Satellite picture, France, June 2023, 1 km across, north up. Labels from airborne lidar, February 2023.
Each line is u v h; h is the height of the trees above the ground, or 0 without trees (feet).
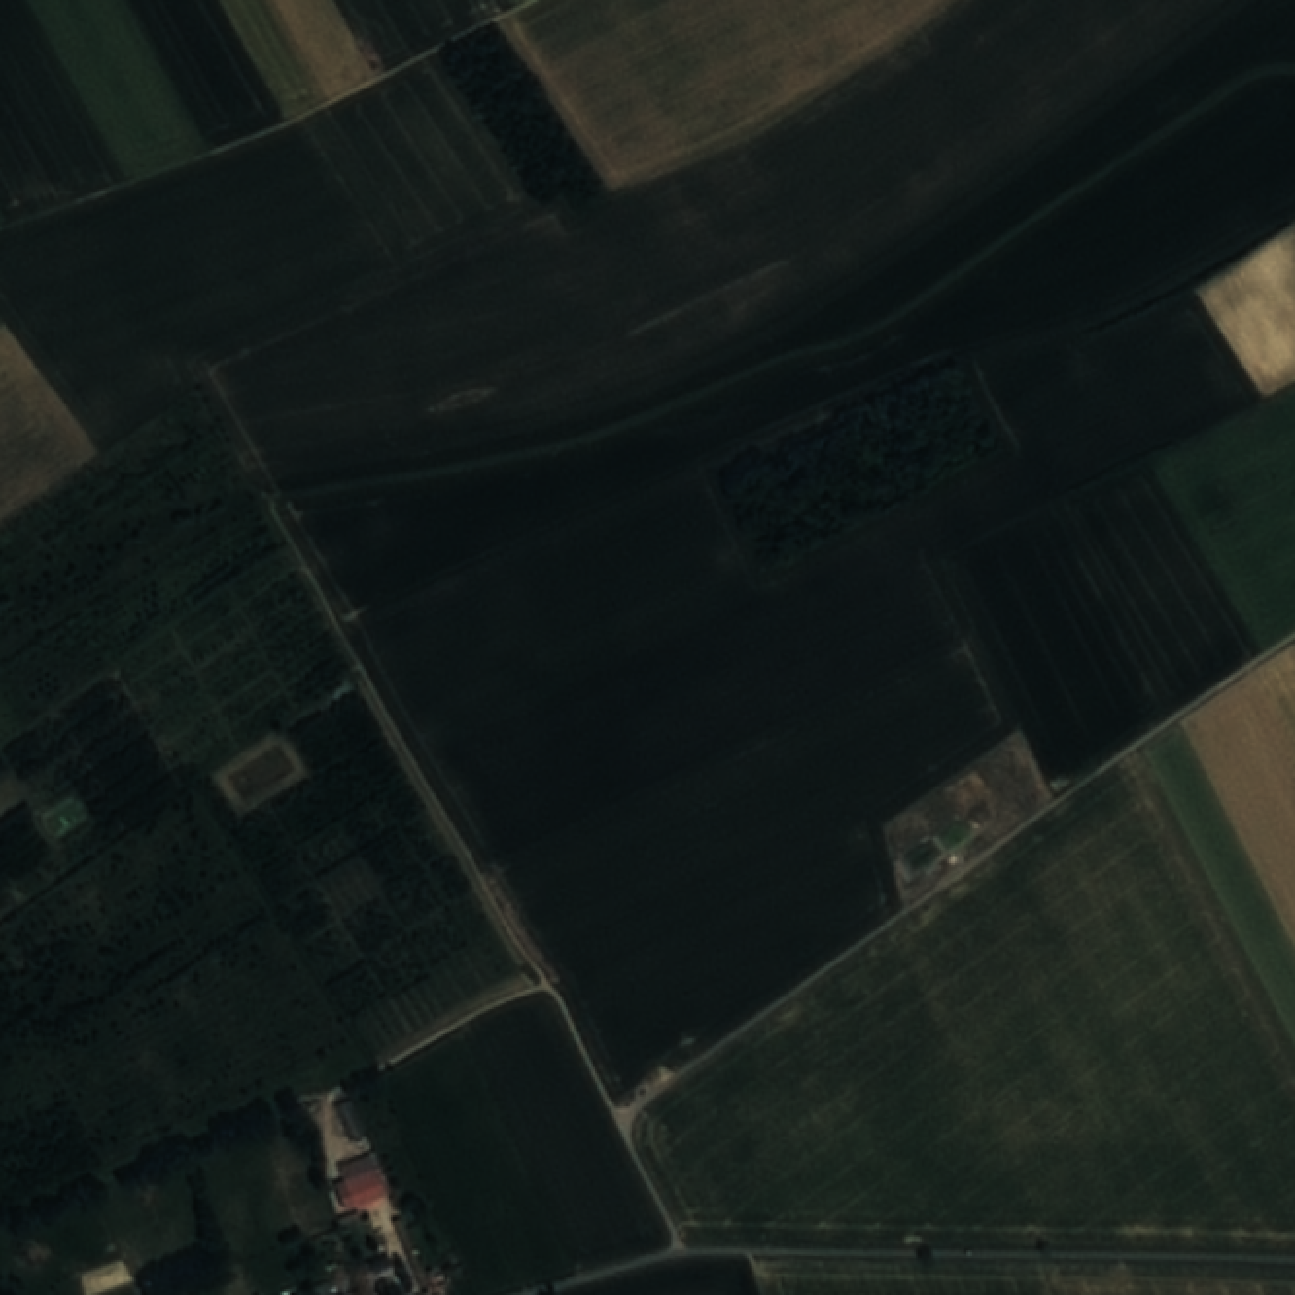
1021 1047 0
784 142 0
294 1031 0
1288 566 0
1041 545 0
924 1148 0
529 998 0
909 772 0
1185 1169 0
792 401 0
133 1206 0
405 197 0
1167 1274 0
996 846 0
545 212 0
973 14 0
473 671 0
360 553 0
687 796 0
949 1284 0
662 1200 0
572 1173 0
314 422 0
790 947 0
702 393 0
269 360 0
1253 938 0
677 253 0
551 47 0
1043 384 0
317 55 0
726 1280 0
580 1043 0
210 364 0
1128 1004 0
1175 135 0
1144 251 0
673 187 0
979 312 0
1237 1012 0
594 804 0
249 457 0
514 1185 0
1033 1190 0
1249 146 0
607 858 0
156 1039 0
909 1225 0
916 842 0
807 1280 0
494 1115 0
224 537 0
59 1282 0
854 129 0
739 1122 0
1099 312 0
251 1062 0
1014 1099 0
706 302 0
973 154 0
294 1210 0
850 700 0
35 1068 0
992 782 0
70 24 0
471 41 26
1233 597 0
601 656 0
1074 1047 0
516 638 0
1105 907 0
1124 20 0
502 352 0
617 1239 0
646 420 0
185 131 0
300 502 0
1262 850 0
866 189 0
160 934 0
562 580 0
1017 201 0
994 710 0
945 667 0
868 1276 0
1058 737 0
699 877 0
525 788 0
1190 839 0
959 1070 0
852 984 0
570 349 0
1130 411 0
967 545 0
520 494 0
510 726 0
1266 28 0
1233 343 0
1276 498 0
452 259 0
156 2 0
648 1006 0
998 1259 0
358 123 0
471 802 0
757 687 0
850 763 0
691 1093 0
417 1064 0
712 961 0
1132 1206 0
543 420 0
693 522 0
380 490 0
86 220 0
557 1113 0
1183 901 0
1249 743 0
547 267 0
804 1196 0
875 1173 0
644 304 0
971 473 0
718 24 0
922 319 0
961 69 0
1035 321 0
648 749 0
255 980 0
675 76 0
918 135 0
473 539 0
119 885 0
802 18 0
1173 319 0
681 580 0
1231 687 0
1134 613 0
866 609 0
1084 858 0
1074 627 0
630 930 0
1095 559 0
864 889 0
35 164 0
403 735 0
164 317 0
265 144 0
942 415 27
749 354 0
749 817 0
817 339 0
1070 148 0
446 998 0
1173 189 0
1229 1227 0
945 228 0
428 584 0
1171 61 0
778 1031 0
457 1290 0
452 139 0
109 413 0
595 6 0
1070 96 0
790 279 0
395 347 0
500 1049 0
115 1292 0
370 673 0
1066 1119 0
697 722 0
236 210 0
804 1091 0
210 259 0
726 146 0
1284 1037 0
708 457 0
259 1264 0
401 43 0
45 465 0
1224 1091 0
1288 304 0
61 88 0
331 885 0
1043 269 0
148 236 0
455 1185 0
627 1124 0
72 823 0
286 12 0
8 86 0
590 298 0
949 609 0
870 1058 0
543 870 0
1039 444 0
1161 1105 0
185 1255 0
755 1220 0
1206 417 0
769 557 18
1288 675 0
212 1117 0
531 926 0
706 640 0
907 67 0
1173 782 0
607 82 0
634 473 0
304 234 0
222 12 0
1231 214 0
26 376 0
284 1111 64
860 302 0
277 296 0
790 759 0
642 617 0
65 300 0
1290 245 0
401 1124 0
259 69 0
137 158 0
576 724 0
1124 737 0
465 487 0
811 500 25
